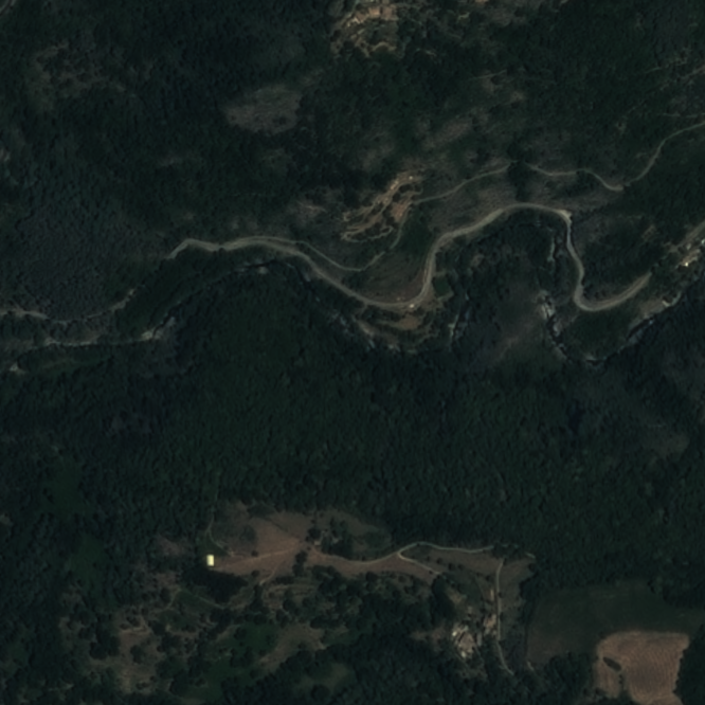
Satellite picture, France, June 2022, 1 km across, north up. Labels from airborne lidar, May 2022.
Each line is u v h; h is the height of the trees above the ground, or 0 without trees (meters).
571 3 11
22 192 14
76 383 23
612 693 0
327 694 12
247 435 16
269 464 14
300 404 18
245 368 20
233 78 8
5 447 10
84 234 24
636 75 11
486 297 9
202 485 9
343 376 25
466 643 0
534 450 19
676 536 16
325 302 15
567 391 17
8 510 25
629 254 19
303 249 10
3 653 15
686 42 18
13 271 24
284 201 10
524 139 10
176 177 13
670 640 0
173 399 17
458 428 12
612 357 18
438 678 16
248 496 11
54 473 21
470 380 11
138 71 16
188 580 12
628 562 6
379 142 10
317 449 13
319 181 12
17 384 14
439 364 26
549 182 16
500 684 14
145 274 12
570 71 8
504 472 15
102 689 13
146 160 8
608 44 16
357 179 12
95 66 11
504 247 13
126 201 16
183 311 14
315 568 7
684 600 13
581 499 17
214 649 0
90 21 7
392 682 15
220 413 17
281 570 0
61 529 21
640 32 9
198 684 10
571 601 0
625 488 15
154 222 17
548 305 0
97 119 16
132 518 17
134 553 12
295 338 17
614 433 12
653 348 18
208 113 16
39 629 14
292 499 13
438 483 14
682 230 8
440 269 18
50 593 15
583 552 14
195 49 14
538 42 12
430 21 10
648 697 0
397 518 11
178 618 7
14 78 15
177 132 12
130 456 10
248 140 12
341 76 7
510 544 7
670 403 13
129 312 13
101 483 14
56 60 9
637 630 0
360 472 12
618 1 20
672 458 10
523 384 17
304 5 9
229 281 15
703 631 9
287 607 16
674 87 12
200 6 11
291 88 0
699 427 7
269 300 14
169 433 14
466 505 10
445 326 16
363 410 18
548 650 0
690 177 8
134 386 19
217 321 15
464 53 8
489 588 0
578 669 14
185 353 17
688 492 20
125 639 0
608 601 0
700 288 6
